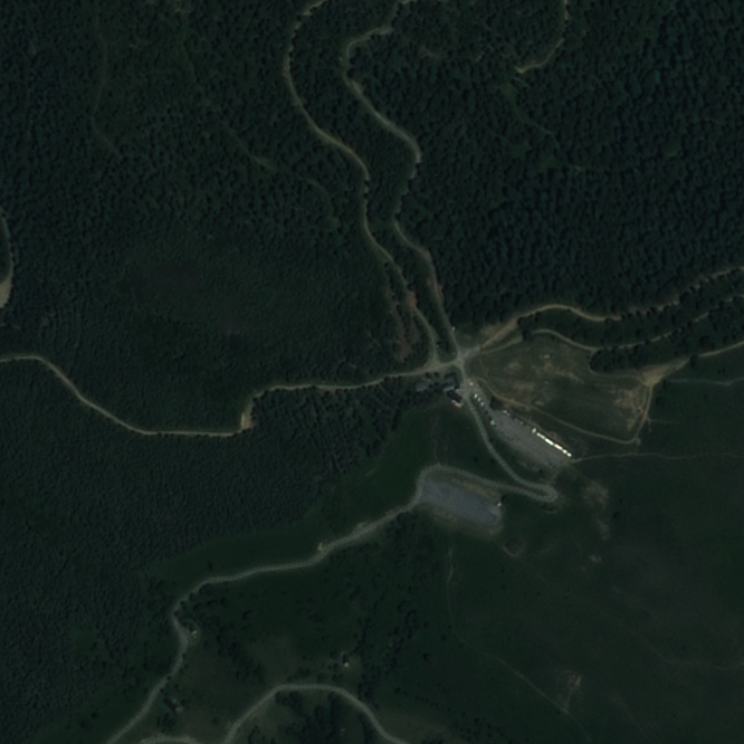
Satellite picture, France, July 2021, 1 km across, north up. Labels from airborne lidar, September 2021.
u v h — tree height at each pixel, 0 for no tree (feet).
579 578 0
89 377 41
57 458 49
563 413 0
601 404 0
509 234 53
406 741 0
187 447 63
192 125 50
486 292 70
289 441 56
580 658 0
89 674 58
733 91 62
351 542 0
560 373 0
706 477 0
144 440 55
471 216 54
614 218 74
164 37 41
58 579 41
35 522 66
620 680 0
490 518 0
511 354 0
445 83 60
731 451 0
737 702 0
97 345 50
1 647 74
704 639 0
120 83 37
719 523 0
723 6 101
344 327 34
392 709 0
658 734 0
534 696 0
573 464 0
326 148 36
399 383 66
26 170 32
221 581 0
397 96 93
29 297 57
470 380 0
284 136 46
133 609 60
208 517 48
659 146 79
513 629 0
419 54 73
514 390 0
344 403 36
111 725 0
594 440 0
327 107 45
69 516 60
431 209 87
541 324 51
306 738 29
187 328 49
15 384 65
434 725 0
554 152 70
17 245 58
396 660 38
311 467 40
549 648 0
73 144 52
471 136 48
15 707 54
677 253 73
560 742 0
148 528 42
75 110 26
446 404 0
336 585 0
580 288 49
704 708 0
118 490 31
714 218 48
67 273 45
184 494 33
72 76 37
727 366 0
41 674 61
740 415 0
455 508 0
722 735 0
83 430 23
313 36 54
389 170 33
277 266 44
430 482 0
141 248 38
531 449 0
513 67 46
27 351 47
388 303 57
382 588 32
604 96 58
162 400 53
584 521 0
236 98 60
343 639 0
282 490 55
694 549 0
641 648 0
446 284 79
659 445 0
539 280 51
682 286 76
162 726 46
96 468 56
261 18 84
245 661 55
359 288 48
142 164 47
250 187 45
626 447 0
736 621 0
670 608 0
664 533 0
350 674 0
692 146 64
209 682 0
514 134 90
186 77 40
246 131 48
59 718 65
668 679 0
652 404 0
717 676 0
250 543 0
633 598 0
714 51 48
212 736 0
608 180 41
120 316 59
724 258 53
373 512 0
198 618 23
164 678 38
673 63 36
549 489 0
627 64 58
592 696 0
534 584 0
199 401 45
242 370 49
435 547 0
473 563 0
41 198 47
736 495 0
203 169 41
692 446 0
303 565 0
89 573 53
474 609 0
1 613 52
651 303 56
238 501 43
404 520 55
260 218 85
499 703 0
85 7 79
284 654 0
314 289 38
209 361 49
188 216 49
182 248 27
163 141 78
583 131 72
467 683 0
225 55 90
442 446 0
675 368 0
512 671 0
